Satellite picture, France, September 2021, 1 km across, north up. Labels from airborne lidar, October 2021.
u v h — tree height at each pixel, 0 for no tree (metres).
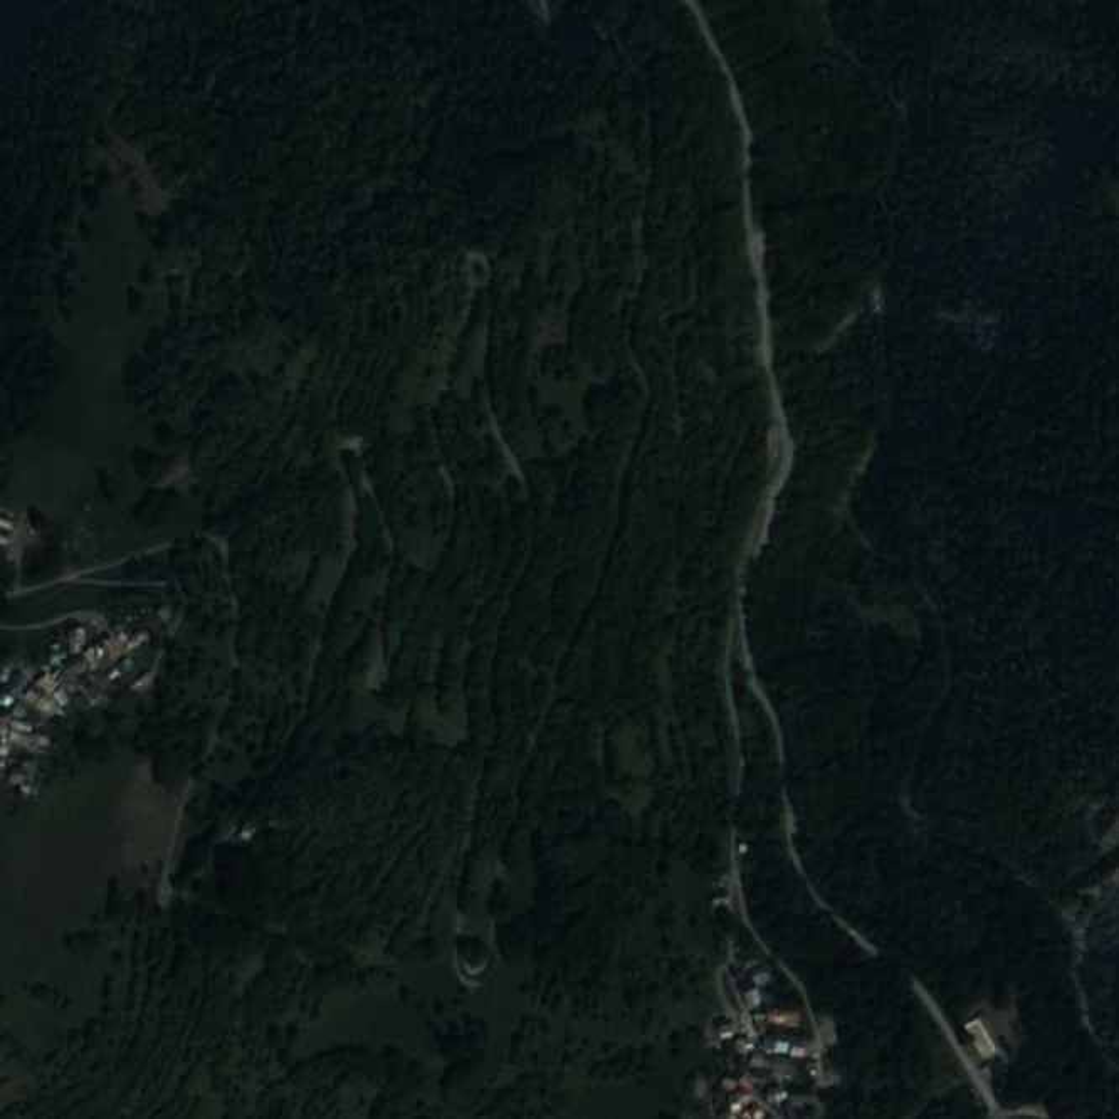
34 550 0
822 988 24
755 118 17
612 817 19
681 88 27
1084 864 7
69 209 17
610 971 17
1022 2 18
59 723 15
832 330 12
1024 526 29
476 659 13
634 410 20
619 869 26
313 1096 10
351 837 11
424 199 24
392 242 29
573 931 33
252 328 18
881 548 17
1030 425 21
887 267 25
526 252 20
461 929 0
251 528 17
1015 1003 12
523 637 18
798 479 14
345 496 9
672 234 24
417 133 28
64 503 0
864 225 33
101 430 0
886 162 25
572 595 28
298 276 25
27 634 0
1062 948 16
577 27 16
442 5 20
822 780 26
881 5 27
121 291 0
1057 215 14
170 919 10
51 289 10
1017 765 10
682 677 15
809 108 24
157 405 12
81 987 0
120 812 0
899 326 21
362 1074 16
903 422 27
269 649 12
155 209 0
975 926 30
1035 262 17
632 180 6
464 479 13
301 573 0
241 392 21
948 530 16
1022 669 16
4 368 28
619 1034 0
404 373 12
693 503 18
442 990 0
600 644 20
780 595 26
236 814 18
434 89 30
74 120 24
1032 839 12
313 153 26
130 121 21
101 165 0
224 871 21
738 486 16
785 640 35
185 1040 12
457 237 22
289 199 18
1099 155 14
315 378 15
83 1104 11
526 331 13
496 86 23
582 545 27
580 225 8
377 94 28
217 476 18
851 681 29
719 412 16
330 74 28
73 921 0
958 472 23
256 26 29
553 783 16
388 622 14
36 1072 14
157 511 14
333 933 21
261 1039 13
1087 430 18
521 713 17
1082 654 21
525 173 28
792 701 22
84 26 21
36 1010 0
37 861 0
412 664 13
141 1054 13
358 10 17
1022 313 21
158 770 12
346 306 24
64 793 0
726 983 0
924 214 18
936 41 18
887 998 21
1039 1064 27
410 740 13
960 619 23
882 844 17
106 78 20
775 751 17
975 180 10
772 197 16
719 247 24
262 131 34
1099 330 27
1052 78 11
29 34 21
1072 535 28
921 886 31
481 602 19
